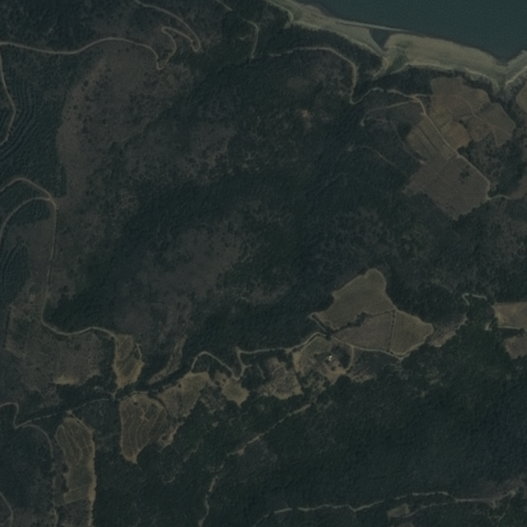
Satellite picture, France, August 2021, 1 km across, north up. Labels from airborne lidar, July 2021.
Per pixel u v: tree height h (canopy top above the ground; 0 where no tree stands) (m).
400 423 10
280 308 7
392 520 7
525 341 0
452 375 10
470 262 7
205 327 7
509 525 8
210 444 9
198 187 7
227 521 12
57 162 8
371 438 15
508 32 0
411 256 7
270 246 8
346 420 9
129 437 0
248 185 7
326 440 6
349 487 9
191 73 8
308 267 9
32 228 0
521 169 10
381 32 0
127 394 8
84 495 0
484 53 0
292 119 7
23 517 0
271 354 6
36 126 6
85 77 0
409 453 8
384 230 6
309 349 0
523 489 7
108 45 0
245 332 8
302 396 7
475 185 0
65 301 8
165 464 6
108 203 7
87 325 6
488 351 12
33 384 0
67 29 6
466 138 0
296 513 6
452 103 0
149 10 5
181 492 7
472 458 6
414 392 9
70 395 7
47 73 7
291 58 7
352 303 0
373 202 5
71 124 0
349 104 9
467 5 0
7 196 6
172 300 0
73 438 0
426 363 7
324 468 15
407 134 7
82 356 0
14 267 6
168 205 10
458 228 7
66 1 7
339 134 9
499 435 7
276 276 7
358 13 0
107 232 8
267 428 8
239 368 6
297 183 8
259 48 8
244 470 7
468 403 7
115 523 7
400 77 7
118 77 0
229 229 6
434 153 0
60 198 7
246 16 9
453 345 6
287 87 0
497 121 0
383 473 7
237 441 7
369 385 9
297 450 10
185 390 0
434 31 0
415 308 9
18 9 9
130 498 9
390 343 0
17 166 9
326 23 0
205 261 0
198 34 6
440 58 0
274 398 9
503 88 0
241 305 9
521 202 6
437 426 9
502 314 0
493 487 0
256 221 6
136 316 0
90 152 0
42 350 0
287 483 12
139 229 6
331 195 6
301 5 0
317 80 0
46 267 0
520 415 7
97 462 8
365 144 6
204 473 9
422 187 0
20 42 7
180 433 10
